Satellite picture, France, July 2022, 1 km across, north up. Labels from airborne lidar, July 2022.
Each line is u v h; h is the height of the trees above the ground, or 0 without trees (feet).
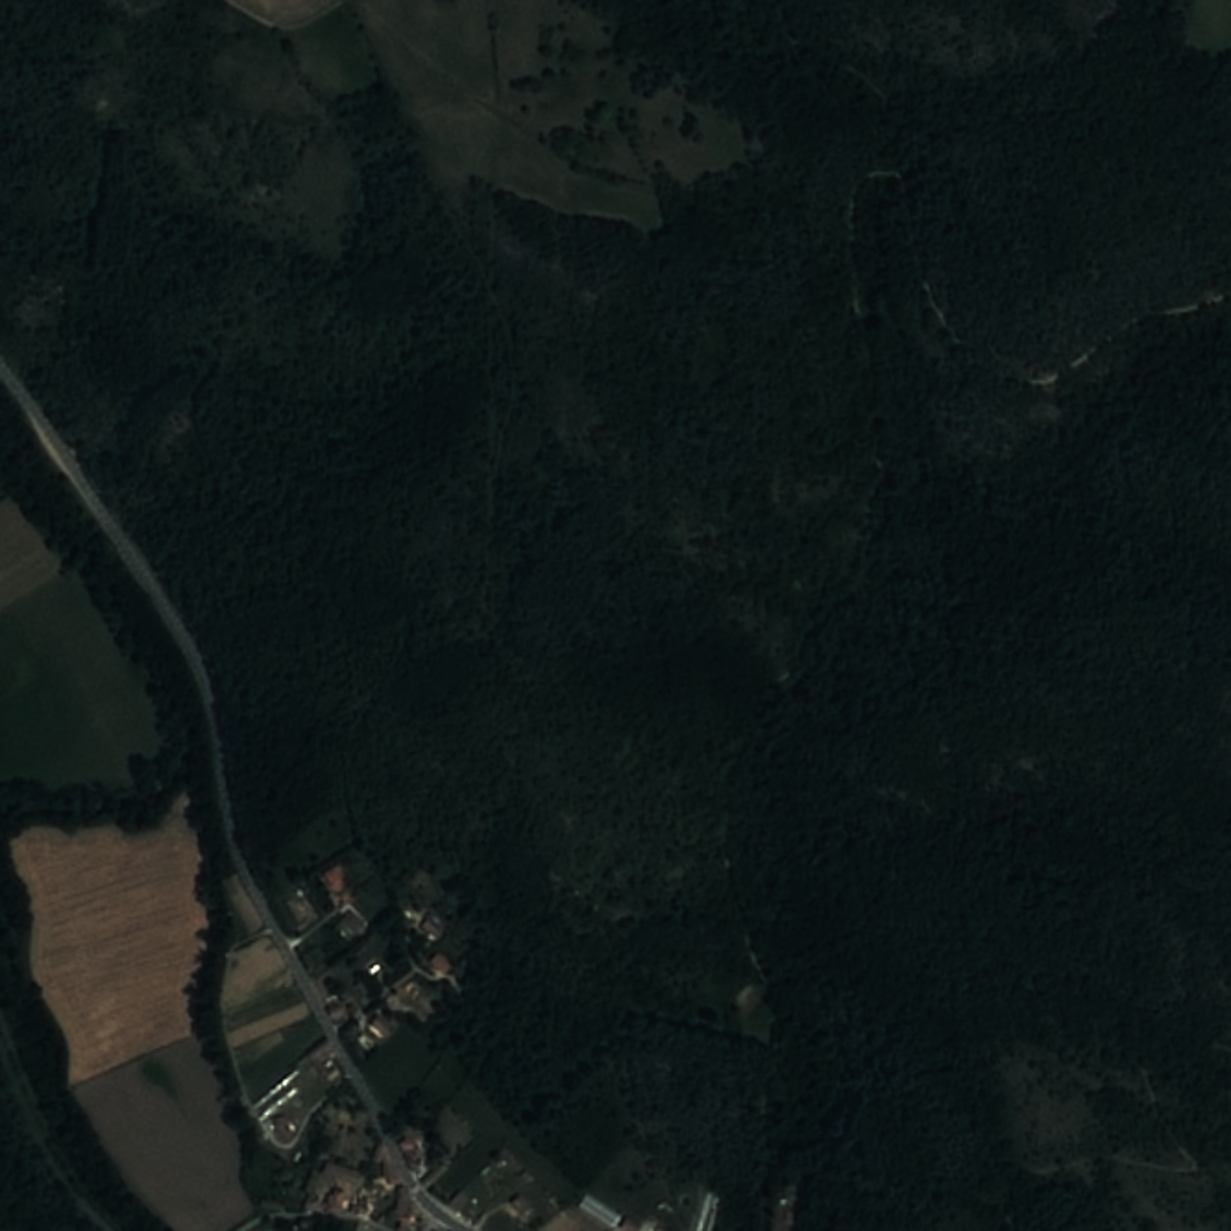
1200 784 55
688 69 83
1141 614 47
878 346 83
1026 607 29
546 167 0
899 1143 48
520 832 33
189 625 34
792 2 38
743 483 52
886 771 31
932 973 32
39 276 46
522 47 0
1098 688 37
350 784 44
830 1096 34
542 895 26
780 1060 60
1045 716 45
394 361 19
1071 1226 86
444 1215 0
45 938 0
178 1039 0
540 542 98
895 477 83
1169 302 46
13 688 0
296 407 52
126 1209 74
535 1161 0
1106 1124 26
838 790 27
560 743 21
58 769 0
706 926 48
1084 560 22
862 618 75
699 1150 58
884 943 50
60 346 27
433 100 0
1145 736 40
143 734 0
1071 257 41
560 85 0
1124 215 47
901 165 61
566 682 45
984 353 52
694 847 35
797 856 37
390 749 29
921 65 28
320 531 42
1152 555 58
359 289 25
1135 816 43
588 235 29
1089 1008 42
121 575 54
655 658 57
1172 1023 37
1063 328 26
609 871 31
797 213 32
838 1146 80
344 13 0
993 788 29
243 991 0
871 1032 52
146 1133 0
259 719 68
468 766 33
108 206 75
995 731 22
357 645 32
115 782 0
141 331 48
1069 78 42
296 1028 0
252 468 44
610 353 36
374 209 52
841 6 31
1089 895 24
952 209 44
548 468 72
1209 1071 33
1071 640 39
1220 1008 23
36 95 28
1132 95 37
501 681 34
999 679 33
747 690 61
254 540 29
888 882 33
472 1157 0
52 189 31
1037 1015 47
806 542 57
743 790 62
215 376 60
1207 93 68
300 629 44
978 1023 46
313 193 0
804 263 62
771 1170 68
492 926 32
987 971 48
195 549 42
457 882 48
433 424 52
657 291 64
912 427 64
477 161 0
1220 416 42
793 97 50
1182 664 22
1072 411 57
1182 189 63
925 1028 71
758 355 39
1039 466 45
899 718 32
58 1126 27
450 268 28
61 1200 33
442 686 44
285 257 20
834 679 54
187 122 23
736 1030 26
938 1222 25
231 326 38
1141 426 34
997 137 26
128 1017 0
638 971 32
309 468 32
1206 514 43
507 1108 35
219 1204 0
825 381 38
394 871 29
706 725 30
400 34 0
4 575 0
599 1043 39
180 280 39
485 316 32
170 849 0
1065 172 54
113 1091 0
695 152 0
